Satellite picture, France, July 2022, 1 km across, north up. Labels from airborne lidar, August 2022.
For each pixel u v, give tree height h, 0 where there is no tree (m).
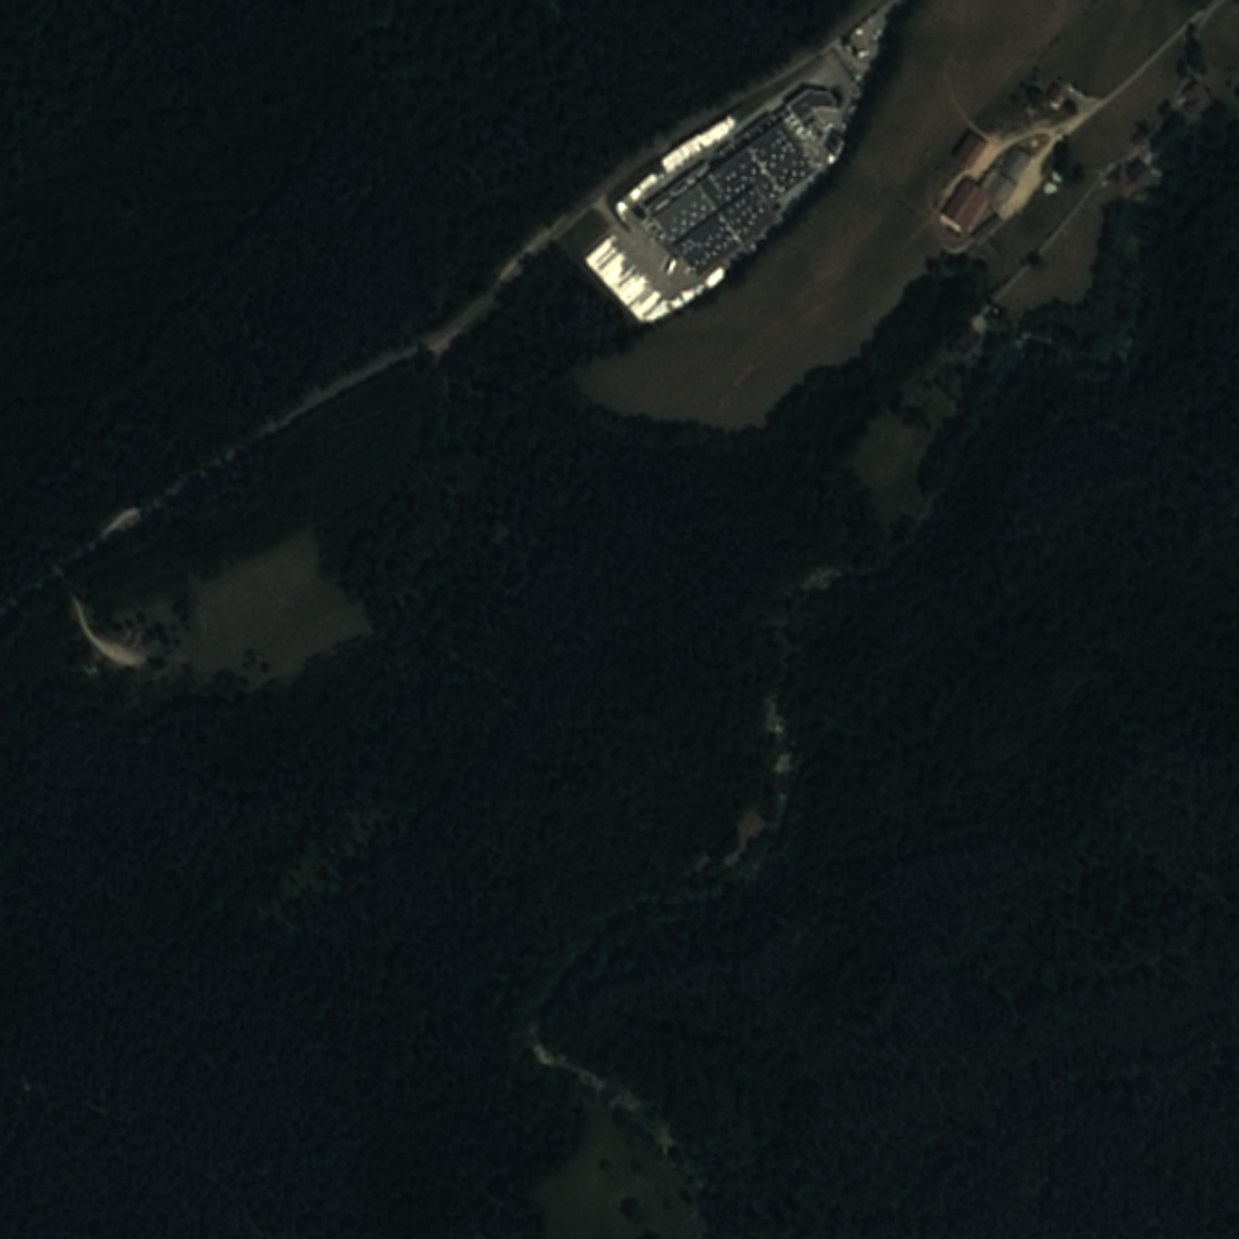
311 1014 20
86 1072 27
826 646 13
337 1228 16
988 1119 20
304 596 0
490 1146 18
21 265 10
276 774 14
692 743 19
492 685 22
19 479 8
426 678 8
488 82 17
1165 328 8
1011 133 0
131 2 11
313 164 17
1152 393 13
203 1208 26
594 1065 15
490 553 10
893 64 15
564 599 16
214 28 12
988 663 13
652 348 0
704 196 0
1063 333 20
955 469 13
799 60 0
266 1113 27
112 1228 21
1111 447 17
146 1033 30
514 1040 21
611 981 25
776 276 0
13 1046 28
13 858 21
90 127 6
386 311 16
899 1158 24
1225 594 7
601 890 13
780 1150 11
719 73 10
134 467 20
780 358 0
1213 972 21
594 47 19
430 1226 29
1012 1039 7
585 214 0
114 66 17
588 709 13
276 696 16
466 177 24
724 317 0
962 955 7
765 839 7
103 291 9
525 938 8
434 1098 12
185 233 7
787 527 13
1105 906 9
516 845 14
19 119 8
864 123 18
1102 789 18
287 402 17
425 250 15
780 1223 30
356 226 17
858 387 10
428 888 22
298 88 10
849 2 17
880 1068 17
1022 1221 25
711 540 17
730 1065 14
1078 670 7
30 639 5
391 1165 21
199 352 15
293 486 6
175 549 6
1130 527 19
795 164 0
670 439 17
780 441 7
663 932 6
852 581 14
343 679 6
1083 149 0
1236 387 13
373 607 14
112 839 19
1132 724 15
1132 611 8
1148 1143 26
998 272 0
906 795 9
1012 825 13
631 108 19
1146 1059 27
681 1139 17
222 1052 27
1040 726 10
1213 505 9
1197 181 9
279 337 15
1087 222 0
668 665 13
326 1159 26
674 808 15
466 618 11
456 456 17
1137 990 18
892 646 14
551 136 16
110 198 7
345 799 16
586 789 15
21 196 7
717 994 20
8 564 12
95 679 7
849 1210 9
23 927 25
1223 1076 24
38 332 11
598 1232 0
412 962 18
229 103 14
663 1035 11
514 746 20
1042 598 8
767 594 20
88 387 9
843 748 11
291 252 22
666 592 15
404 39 18
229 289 14
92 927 25
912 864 19
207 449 16
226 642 0
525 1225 27
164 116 9
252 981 26
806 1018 10
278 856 15
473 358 7
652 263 0
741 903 7
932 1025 24
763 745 18
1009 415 9
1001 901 15
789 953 24
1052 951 5
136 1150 23
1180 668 7
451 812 19
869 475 0
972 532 9
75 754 26
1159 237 13
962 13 0
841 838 7
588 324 23
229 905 18
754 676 14
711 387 0
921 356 16
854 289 0
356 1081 20
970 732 14
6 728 17
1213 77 0
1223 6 0
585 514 16
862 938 13
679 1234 0
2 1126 28
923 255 0
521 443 14
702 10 21
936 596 14
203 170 9
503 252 8
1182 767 21
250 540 6
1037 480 17
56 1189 21
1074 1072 8
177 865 18
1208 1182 20
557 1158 19
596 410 17
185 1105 21
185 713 18
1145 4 0
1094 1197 25
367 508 6
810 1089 20
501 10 18
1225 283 14
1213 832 14
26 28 13
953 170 0
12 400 7
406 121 17
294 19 14
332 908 18
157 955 19
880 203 0
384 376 6
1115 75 0
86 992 18
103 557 15
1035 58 0
